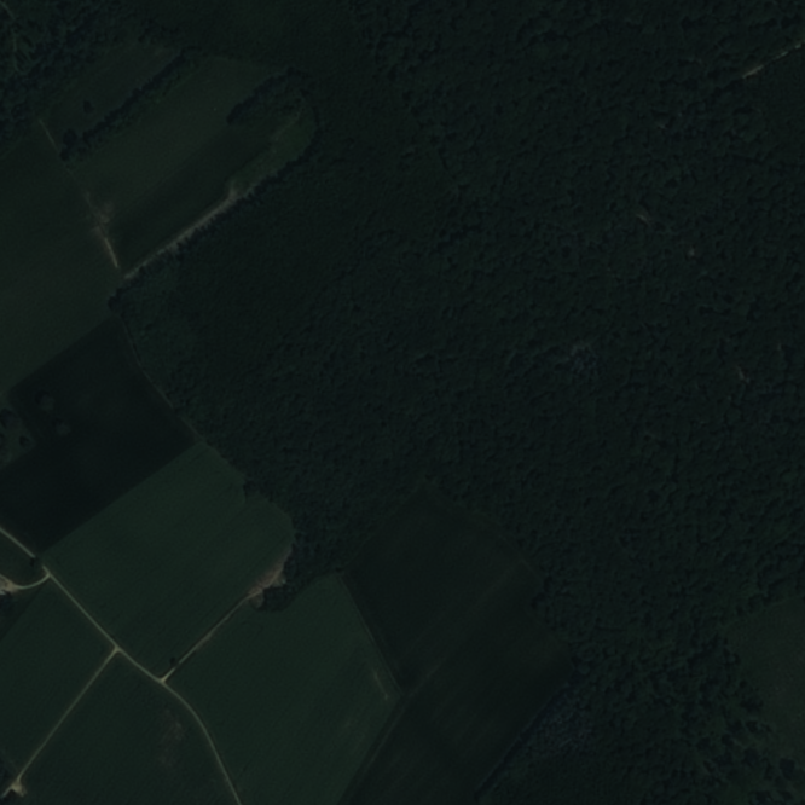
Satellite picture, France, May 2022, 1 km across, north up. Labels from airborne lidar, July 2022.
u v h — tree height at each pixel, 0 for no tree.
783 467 28
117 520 0
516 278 30
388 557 0
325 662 0
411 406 18
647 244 26
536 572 0
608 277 25
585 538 19
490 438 21
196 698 0
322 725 0
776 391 24
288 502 17
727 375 26
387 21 27
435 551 0
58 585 0
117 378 0
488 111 28
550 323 24
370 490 21
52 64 28
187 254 14
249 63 12
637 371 29
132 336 12
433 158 8
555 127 26
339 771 0
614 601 19
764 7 27
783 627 0
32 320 0
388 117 13
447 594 0
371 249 23
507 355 28
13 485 0
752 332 30
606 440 28
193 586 0
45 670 0
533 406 24
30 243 0
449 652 0
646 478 18
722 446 28
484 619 0
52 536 0
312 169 16
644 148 27
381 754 0
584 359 21
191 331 18
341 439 18
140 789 0
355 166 11
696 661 25
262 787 0
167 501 0
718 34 24
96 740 0
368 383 21
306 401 10
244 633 0
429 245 15
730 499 10
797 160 9
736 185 28
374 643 0
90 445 0
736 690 13
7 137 29
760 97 10
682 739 8
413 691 0
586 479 16
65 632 0
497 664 0
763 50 26
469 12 29
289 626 0
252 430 17
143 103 14
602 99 27
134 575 0
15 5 8
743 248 28
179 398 16
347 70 12
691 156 28
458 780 0
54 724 0
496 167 29
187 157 0
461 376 20
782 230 28
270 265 11
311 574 10
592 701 28
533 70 29
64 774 0
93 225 0
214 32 12
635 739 24
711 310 29
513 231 29
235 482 0
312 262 11
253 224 16
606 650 24
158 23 12
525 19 14
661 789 22
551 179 27
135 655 0
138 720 0
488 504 18
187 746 0
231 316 12
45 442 0
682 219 23
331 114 12
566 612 19
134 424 0
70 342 0
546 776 20
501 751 0
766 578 24
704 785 26
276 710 0
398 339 22
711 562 28
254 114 21
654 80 14
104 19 27
